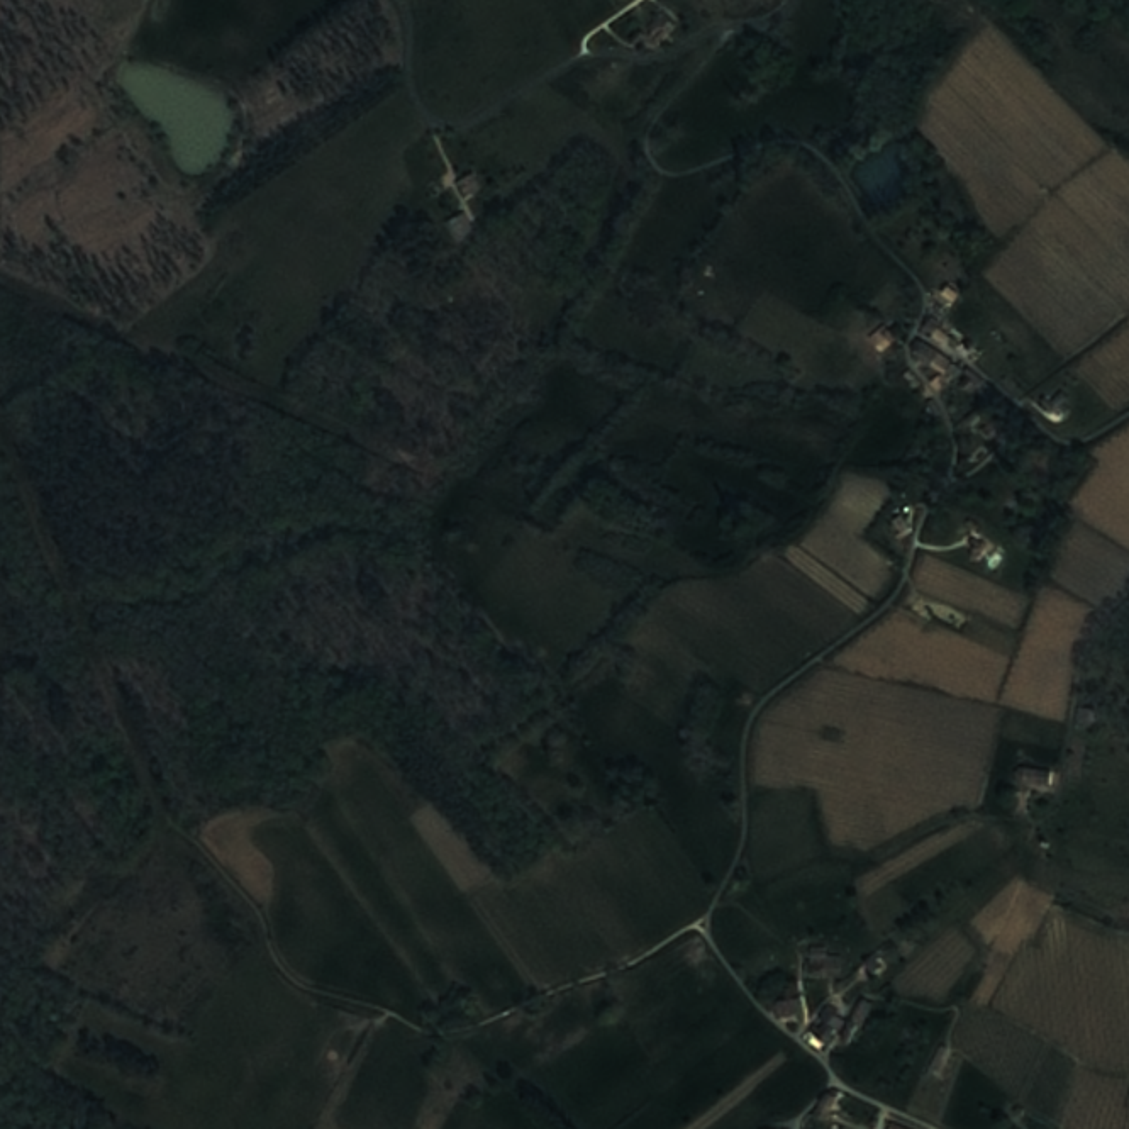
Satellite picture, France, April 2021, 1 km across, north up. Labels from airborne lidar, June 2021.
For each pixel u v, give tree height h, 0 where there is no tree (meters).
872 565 0
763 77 27
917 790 0
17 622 11
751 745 0
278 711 18
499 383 11
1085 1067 0
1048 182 0
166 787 23
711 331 15
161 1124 0
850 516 0
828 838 0
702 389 16
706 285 0
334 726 21
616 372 13
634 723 0
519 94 0
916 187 24
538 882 0
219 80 0
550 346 15
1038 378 0
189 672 17
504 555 0
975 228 12
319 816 0
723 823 0
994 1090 0
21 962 14
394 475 10
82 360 21
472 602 13
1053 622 0
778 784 0
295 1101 0
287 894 0
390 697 24
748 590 0
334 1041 0
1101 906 0
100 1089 0
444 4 0
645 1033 0
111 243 0
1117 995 0
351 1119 0
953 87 0
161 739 16
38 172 0
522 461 12
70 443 21
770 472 10
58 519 18
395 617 14
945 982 0
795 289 0
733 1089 0
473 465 8
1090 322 0
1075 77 0
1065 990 0
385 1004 0
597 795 0
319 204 0
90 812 21
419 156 0
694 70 0
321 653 13
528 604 0
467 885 0
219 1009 0
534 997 12
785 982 7
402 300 12
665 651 0
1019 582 0
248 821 0
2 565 14
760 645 0
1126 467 0
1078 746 0
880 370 0
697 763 20
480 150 0
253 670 16
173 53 0
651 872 0
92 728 20
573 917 0
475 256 16
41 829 12
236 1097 0
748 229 0
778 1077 0
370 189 0
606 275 21
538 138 0
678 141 21
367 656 18
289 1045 0
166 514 21
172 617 10
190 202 0
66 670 16
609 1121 0
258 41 0
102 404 15
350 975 0
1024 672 0
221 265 0
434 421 9
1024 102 0
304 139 12
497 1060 0
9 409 12
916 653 0
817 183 15
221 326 0
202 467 21
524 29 0
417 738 23
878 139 20
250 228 0
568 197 18
